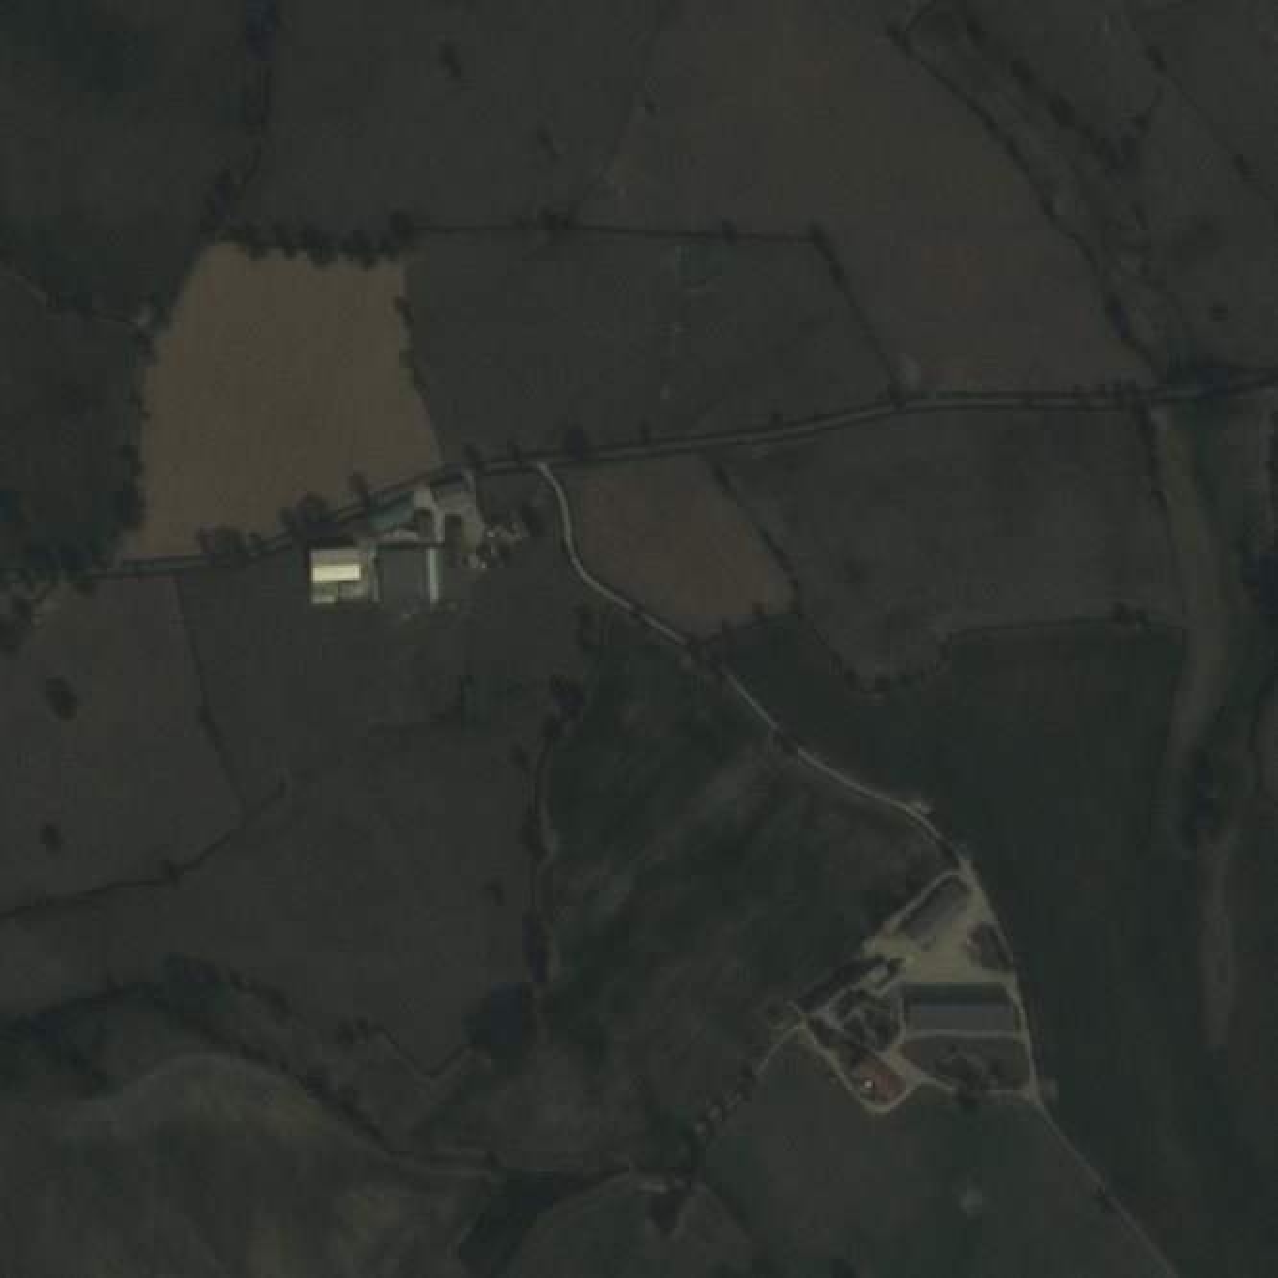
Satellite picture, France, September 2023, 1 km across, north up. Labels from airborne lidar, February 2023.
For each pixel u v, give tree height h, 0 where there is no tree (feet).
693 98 0
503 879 0
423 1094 0
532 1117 0
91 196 0
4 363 0
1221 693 0
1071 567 0
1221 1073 0
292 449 0
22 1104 0
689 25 0
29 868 0
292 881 0
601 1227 0
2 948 0
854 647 0
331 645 0
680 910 0
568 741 0
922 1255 0
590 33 0
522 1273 0
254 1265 0
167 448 0
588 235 0
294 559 0
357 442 0
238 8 0
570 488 0
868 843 0
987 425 0
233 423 0
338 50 0
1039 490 0
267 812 0
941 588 0
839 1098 0
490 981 0
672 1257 0
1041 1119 0
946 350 0
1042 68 0
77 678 0
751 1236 0
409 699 0
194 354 0
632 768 0
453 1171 0
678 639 0
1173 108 0
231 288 0
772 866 0
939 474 0
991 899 0
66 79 0
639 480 0
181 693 0
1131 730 0
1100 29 0
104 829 0
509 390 0
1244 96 0
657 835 0
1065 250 0
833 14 0
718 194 0
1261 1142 0
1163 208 0
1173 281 0
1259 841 0
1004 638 0
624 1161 0
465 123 0
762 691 0
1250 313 0
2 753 0
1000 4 0
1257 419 0
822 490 0
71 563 65
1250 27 0
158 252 0
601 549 0
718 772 0
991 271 0
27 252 0
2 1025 105
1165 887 0
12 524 65
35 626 0
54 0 0
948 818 0
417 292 0
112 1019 0
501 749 0
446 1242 0
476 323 0
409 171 0
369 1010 0
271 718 0
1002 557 0
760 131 0
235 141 0
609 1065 0
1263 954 0
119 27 0
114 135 0
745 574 0
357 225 0
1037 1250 0
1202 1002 0
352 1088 0
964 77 0
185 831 0
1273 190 0
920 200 0
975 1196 0
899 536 0
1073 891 0
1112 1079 0
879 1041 30
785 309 0
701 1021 0
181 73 0
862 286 0
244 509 0
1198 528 0
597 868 0
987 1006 0
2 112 0
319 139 0
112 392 0
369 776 0
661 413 0
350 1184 0
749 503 0
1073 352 0
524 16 0
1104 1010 0
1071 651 0
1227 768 0
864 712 0
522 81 0
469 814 0
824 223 0
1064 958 0
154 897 0
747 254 0
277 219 0
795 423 0
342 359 0
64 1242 0
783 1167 0
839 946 0
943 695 0
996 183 0
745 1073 24
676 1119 0
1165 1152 0
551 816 0
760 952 0
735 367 0
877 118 0
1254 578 56
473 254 0
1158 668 0
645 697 0
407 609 0
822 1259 0
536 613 0
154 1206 0
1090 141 38
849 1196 0
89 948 0
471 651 0
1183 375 40
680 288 0
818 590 0
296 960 0
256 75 0
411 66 0
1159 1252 0
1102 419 0
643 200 0
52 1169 0
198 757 0
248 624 0
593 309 0
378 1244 0
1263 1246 0
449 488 0
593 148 0
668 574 0
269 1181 0
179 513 0
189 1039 0
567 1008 0
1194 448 0
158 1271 0
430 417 0
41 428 0
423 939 0
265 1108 0
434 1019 0
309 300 0
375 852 0
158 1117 0
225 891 0
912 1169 0
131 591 0
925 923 0
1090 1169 0
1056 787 0
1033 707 0
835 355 0
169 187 0
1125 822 0
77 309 40
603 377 0
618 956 0
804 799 0
